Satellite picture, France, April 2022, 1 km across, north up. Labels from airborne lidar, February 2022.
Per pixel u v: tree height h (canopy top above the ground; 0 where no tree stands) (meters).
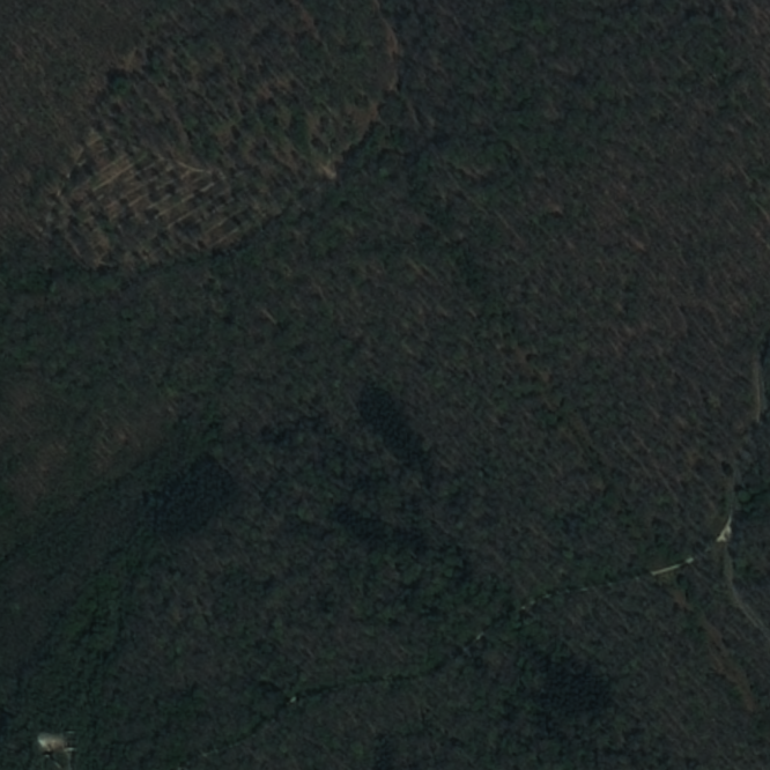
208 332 28
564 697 27
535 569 35
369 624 27
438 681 28
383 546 30
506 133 30
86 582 21
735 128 28
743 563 29
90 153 30
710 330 29
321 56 16
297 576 27
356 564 29
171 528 32
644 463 32
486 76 30
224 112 31
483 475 30
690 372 29
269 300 27
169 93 32
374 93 23
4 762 19
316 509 32
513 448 33
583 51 25
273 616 31
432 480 19
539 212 28
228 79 30
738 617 30
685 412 28
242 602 29
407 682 18
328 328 30
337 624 29
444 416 30
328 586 26
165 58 28
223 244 0
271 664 28
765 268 27
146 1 23
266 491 25
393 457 24
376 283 32
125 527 16
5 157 22
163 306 30
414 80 29
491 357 30
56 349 31
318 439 28
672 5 31
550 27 25
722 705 29
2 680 26
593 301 27
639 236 24
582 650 28
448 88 29
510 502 31
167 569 26
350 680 21
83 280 28
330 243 24
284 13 30
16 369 21
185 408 29
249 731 27
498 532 33
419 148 25
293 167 0
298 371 28
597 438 24
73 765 12
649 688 32
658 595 29
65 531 20
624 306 28
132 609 15
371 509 30
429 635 29
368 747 27
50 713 16
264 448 29
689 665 33
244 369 30
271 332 29
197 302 26
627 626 34
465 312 28
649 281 29
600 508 30
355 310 31
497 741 28
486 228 23
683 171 28
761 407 0
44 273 19
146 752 27
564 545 33
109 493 20
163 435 18
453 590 31
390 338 28
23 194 24
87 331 28
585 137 30
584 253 29
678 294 30
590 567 30
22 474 25
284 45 29
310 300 28
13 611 23
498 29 28
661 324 29
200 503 36
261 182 32
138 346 33
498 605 30
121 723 30
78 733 15
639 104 28
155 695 30
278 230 26
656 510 32
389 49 24
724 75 26
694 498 33
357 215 28
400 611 29
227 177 29
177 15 32
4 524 20
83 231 32
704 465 31
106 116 28
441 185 25
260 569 29
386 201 30
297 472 29
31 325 24
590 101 31
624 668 32
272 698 30
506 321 15
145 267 26
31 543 22
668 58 29
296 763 28
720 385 30
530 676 25
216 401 28
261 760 31
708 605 26
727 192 27
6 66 24
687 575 28
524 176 30
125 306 31
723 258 31
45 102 22
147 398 28
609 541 30
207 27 29
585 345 28
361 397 33
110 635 19
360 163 30
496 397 30
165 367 27
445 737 25
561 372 29
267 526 31
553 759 31
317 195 29
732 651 28
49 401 18
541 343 27
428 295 29
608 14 22
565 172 25
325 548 30
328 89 24
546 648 27
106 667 22
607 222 27
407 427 29
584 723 33
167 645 31
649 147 25
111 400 30
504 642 30
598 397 30
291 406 23
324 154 26
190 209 0
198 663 35
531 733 32
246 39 31
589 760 27
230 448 28
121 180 0
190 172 0
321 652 29
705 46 28
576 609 33
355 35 27
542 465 32
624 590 32
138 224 31
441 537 29
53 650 19
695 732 31
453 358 30
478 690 31
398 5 29
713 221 30
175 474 17
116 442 24
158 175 0
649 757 31
